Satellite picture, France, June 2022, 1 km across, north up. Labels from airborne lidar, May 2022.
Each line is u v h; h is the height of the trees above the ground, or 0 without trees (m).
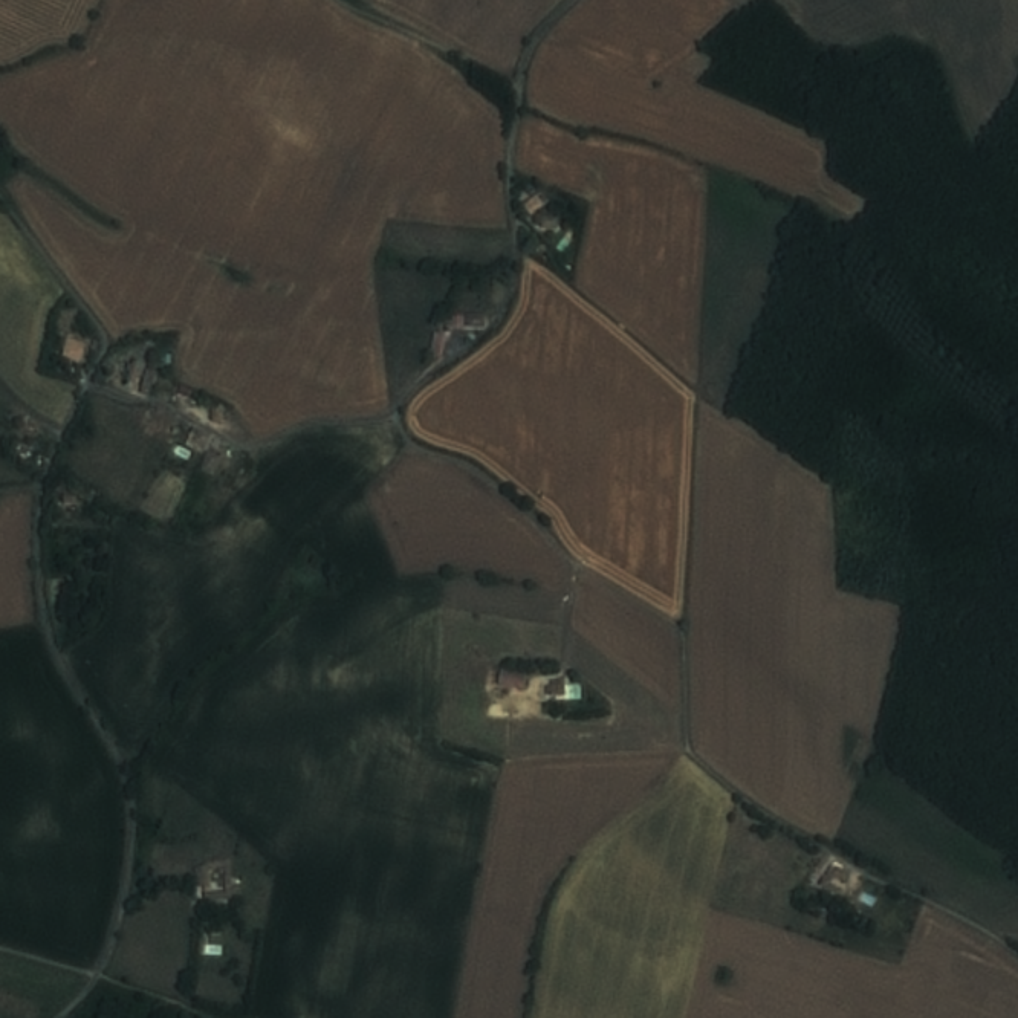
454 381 0
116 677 0
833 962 0
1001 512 21
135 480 0
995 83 0
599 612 0
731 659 0
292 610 0
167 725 6
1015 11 0
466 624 0
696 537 0
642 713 0
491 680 0
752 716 0
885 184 17
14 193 0
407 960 0
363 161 0
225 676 0
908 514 12
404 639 0
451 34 0
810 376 18
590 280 0
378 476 0
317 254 0
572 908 0
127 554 0
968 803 15
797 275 23
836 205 0
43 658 0
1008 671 19
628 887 0
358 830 0
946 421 19
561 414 0
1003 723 13
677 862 0
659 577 0
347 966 0
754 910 0
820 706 0
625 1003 0
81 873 0
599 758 0
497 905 0
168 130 0
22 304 0
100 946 0
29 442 10
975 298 14
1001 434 27
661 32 0
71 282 0
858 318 20
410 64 0
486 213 0
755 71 11
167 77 0
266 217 0
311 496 0
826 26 0
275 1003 0
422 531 0
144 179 0
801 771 0
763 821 10
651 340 0
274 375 0
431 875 0
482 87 14
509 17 0
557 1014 0
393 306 0
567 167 0
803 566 0
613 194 0
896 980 0
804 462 13
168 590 0
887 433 18
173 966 0
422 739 0
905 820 0
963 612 17
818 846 8
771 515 0
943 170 14
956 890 0
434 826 0
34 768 0
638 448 0
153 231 0
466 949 0
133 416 0
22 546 0
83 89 0
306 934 0
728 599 0
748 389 18
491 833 0
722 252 0
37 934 0
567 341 0
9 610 0
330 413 0
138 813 13
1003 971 0
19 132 0
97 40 0
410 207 0
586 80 0
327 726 0
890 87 18
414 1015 0
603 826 0
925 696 13
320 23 0
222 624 0
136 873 11
